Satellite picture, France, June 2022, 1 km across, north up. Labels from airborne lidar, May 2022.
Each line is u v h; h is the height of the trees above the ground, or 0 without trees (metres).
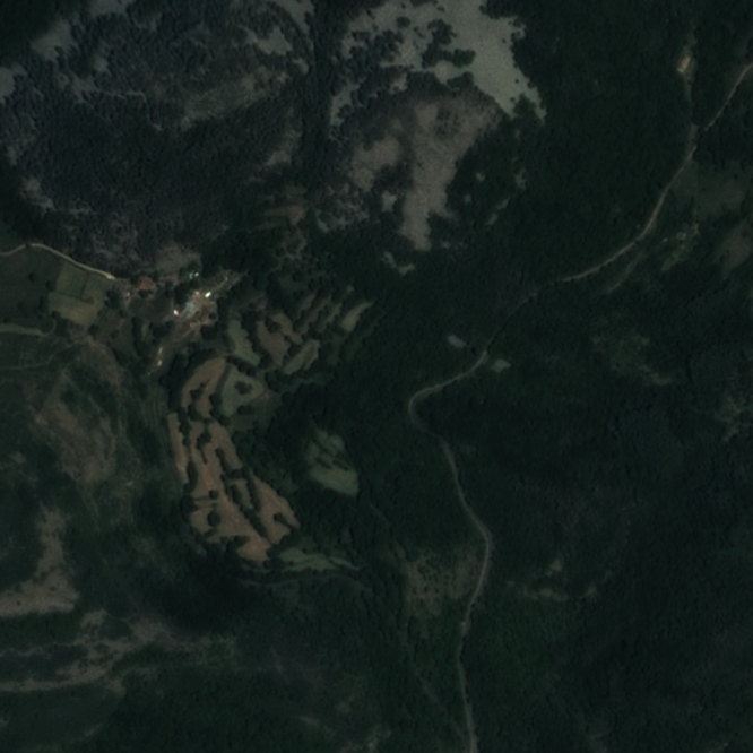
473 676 13
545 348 15
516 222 6
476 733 8
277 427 10
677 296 10
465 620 14
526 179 8
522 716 8
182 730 15
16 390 0
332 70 13
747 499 10
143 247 16
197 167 17
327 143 12
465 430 21
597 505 9
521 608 9
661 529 17
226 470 14
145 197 15
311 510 12
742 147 18
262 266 15
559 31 15
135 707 9
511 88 0
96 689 0
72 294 0
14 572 0
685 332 10
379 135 0
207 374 0
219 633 12
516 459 14
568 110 12
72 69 13
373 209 10
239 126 9
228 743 6
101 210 12
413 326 18
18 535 0
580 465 17
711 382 29
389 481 10
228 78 6
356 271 16
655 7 13
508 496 13
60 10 11
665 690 11
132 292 0
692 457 10
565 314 19
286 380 13
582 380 10
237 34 11
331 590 16
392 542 6
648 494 12
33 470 0
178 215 8
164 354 0
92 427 0
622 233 16
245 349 0
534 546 11
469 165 11
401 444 14
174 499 9
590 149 15
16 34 19
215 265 10
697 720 9
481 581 0
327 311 10
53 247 11
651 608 12
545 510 8
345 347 9
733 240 0
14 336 0
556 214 7
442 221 12
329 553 13
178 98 13
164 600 9
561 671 11
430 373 7
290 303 15
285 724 7
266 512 0
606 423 13
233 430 0
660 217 8
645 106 8
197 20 9
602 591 11
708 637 6
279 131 14
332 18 14
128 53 10
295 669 0
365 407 26
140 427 8
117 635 0
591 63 9
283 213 0
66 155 14
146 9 16
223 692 7
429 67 8
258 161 9
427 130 0
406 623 9
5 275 0
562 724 10
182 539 9
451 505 11
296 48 10
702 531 10
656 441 33
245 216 16
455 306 17
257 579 17
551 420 26
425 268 14
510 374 12
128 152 6
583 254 14
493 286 19
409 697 13
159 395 0
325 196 11
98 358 0
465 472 11
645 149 17
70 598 0
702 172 8
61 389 0
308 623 9
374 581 17
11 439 0
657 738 11
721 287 10
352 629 7
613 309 12
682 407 11
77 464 0
